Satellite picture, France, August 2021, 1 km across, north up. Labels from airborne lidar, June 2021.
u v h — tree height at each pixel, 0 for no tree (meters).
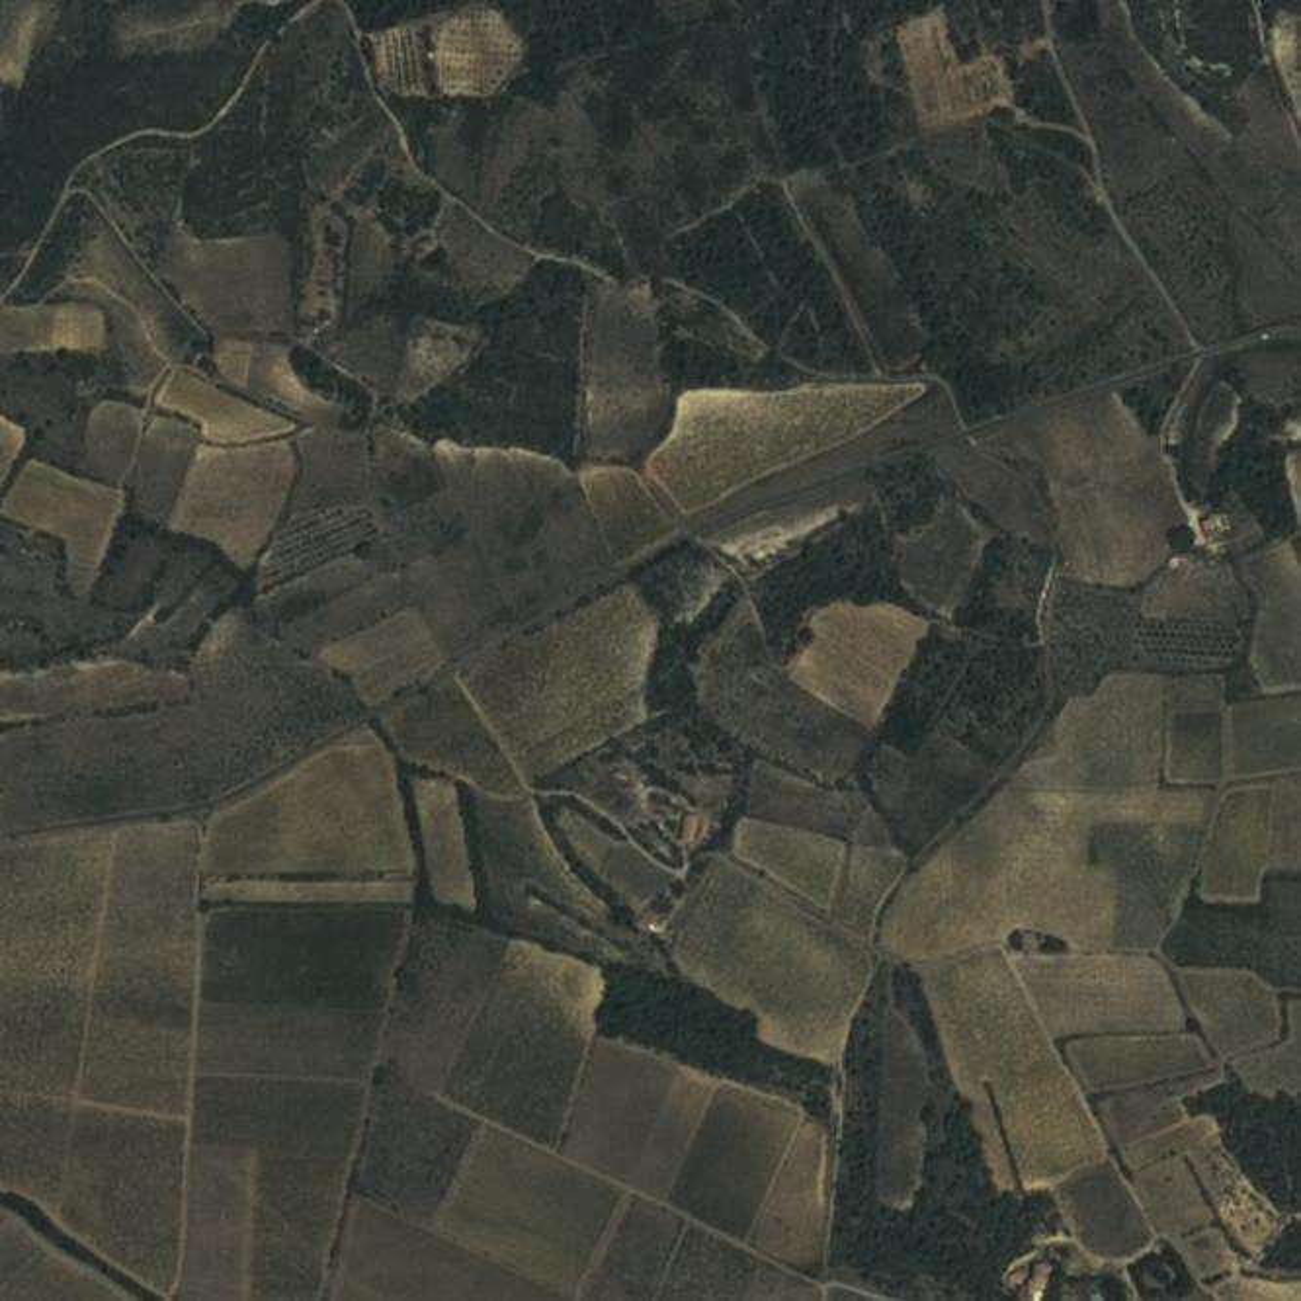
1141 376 0
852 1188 6
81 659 9
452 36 0
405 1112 0
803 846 0
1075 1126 0
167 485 0
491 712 0
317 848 0
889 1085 0
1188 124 0
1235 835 0
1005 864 0
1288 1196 8
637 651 0
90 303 0
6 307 0
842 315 9
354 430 7
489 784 0
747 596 0
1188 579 0
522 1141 0
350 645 0
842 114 9
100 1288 0
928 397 0
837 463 0
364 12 9
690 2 0
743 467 0
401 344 0
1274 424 9
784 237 10
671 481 0
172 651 0
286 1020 0
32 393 0
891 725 6
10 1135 0
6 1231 0
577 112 0
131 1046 0
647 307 0
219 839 0
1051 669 0
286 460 0
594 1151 0
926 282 8
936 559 0
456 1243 0
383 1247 0
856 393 0
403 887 0
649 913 0
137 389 0
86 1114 0
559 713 0
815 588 7
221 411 0
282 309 0
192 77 0
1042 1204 12
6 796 0
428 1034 0
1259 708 0
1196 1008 0
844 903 0
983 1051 0
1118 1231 0
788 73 8
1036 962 0
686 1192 0
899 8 10
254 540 0
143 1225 0
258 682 0
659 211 0
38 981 0
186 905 0
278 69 0
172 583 0
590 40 11
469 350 0
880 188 9
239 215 0
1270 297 0
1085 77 0
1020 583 0
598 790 0
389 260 0
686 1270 0
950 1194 7
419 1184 0
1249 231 0
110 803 0
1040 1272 0
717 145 0
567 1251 0
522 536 0
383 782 0
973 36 7
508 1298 0
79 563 0
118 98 0
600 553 0
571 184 0
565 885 0
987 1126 0
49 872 0
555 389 0
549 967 0
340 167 0
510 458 0
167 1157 0
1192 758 0
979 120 0
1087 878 0
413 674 0
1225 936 0
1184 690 0
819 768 0
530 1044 0
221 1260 0
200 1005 0
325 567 0
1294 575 0
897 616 0
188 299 0
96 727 0
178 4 0
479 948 0
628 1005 10
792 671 0
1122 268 0
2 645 0
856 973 0
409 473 0
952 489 0
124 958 0
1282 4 0
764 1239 0
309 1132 0
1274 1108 9
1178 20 0
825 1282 0
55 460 0
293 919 0
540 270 9
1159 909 0
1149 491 0
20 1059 0
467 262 0
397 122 0
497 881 0
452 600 0
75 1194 0
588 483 0
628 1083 0
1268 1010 0
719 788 0
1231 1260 0
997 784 0
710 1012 11
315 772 0
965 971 0
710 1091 0
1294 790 0
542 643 0
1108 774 0
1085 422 0
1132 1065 0
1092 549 0
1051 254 0
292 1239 0
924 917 0
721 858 0
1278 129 0
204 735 0
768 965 0
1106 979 0
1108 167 0
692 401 0
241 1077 0
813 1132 0
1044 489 0
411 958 0
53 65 0
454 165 0
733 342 0
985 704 6
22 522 0
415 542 0
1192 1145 0
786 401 0
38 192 0
